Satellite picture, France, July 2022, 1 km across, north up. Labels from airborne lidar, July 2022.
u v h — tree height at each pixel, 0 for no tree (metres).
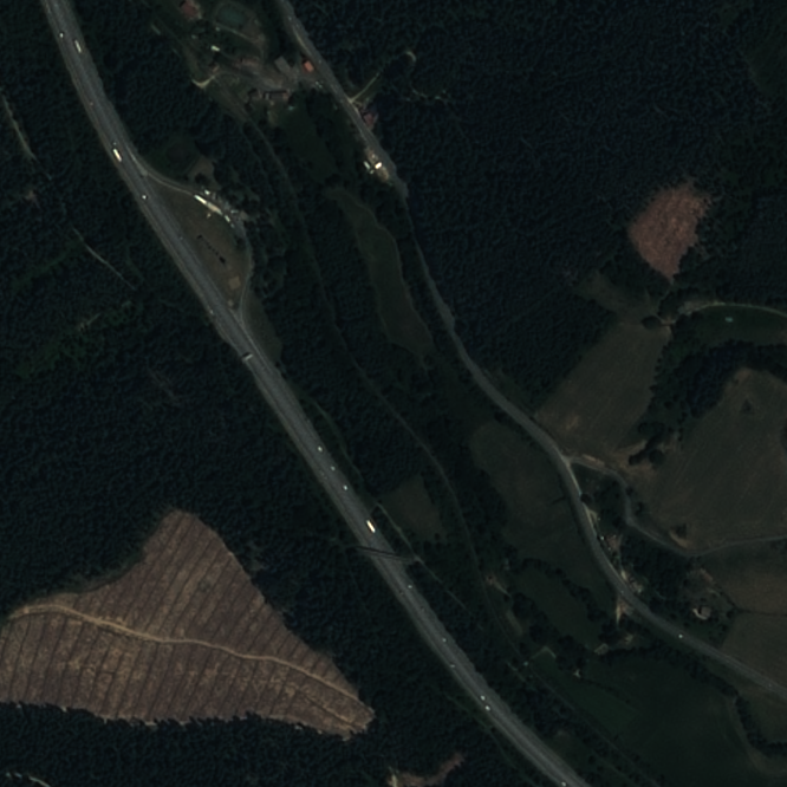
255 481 21
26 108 29
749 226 18
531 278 25
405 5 23
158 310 20
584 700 0
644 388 0
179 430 19
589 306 18
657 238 0
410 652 24
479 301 26
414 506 0
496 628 8
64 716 21
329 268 20
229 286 0
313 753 22
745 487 0
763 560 0
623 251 13
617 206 24
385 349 20
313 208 16
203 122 32
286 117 0
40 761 23
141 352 24
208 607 0
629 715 0
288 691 0
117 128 0
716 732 0
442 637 0
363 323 29
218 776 25
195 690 0
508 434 0
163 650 0
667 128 24
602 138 26
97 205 20
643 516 6
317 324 19
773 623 0
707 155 8
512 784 21
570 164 24
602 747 11
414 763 26
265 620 0
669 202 0
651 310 0
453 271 33
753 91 22
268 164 14
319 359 23
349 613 15
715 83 12
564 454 0
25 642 0
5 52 29
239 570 0
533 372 20
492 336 18
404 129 27
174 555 0
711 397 24
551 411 0
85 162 14
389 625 21
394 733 26
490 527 16
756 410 0
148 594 0
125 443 23
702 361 17
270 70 0
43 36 16
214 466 30
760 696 0
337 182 17
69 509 23
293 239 7
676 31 18
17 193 33
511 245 30
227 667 0
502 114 22
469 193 30
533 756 0
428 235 36
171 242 0
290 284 15
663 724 0
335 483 0
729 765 0
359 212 0
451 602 20
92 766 21
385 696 27
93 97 0
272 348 0
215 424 23
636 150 23
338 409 39
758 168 11
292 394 0
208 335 31
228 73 0
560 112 19
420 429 15
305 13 8
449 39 19
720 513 0
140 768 23
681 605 10
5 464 25
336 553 10
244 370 24
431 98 10
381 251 0
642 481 0
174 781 23
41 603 0
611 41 24
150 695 0
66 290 23
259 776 24
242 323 0
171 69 36
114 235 20
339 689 0
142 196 0
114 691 0
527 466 0
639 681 0
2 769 24
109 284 20
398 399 23
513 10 32
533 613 23
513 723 0
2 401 17
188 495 21
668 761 0
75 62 0
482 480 20
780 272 25
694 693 0
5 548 20
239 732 26
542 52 24
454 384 0
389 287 0
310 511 25
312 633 29
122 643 0
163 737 22
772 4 21
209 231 0
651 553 7
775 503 0
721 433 0
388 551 0
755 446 0
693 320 12
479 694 0
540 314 17
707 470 0
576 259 23
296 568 33
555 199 24
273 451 23
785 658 0
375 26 27
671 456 0
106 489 27
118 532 24
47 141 28
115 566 24
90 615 0
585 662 13
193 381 27
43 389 20
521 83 27
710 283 21
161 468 15
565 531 0
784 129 7
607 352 0
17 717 21
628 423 0
